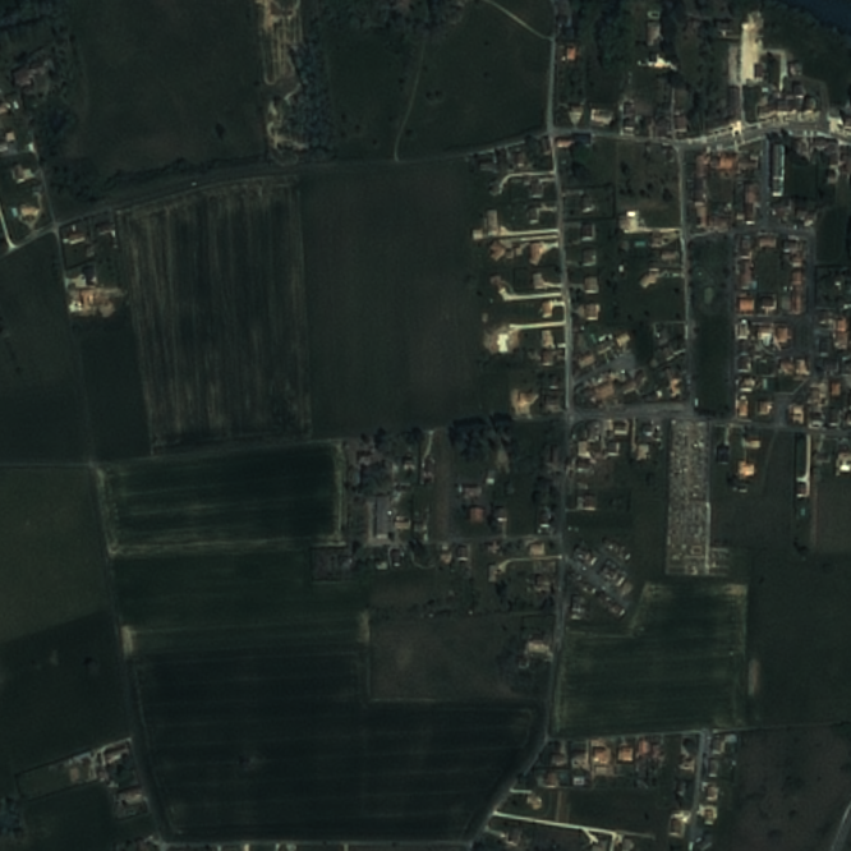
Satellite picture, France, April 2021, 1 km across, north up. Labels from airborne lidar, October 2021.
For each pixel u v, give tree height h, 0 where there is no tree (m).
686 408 0
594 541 0
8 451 0
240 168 0
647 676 0
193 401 0
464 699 0
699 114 11
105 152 0
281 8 0
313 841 0
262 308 0
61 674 0
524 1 0
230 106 0
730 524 0
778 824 0
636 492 0
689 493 0
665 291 0
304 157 9
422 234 0
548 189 0
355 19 11
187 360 0
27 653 0
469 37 0
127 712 0
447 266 0
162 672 0
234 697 0
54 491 0
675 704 0
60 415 0
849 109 0
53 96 8
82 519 0
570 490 0
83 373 0
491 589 0
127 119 0
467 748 0
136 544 0
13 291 0
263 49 0
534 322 0
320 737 0
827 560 0
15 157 0
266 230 0
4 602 0
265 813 0
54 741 0
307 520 0
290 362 0
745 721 0
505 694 0
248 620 0
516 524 0
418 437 14
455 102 0
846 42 14
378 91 0
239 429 0
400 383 0
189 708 0
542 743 0
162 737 0
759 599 0
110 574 0
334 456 0
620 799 0
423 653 0
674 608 0
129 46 0
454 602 10
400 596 0
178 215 0
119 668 0
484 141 0
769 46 0
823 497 0
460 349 0
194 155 0
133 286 0
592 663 0
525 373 0
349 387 0
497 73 0
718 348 0
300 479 0
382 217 0
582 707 0
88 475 0
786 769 0
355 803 0
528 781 9
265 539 0
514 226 0
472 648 0
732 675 0
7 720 0
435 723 0
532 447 0
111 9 0
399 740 0
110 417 0
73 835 0
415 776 0
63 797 0
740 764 0
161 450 0
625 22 20
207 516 0
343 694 0
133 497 0
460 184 0
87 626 0
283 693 0
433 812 0
